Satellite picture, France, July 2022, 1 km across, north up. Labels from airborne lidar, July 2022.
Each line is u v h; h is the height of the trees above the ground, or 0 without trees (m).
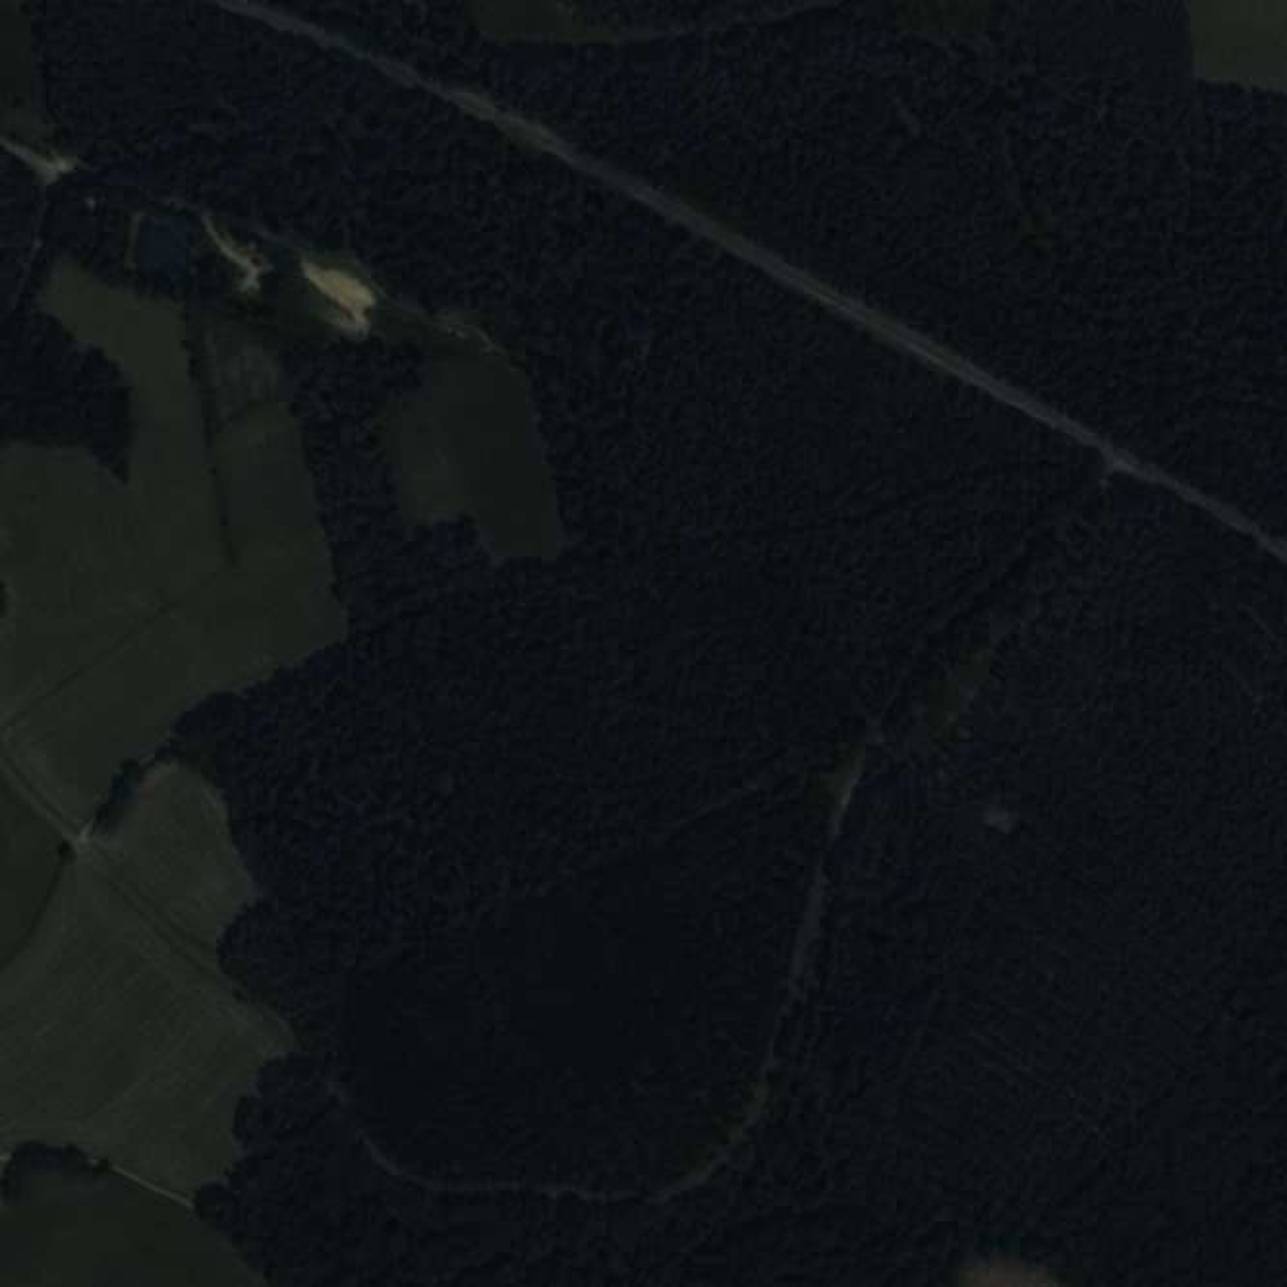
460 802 25
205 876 0
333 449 22
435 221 10
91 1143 0
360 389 14
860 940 25
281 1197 24
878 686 24
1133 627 10
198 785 0
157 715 0
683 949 10
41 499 0
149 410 0
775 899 10
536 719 26
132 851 0
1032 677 31
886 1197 17
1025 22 25
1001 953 16
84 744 0
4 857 0
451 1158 9
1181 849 24
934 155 19
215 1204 22
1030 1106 14
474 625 25
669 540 22
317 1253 19
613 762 23
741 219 17
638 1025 8
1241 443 27
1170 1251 19
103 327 0
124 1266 0
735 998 10
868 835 30
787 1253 25
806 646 24
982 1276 0
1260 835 23
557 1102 7
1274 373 24
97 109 18
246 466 0
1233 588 16
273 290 20
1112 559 39
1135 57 26
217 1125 0
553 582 24
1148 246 19
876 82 24
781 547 21
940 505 25
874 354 18
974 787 33
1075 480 27
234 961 23
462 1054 11
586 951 10
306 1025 23
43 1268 0
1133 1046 17
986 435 22
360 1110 10
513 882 22
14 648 0
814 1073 28
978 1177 19
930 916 27
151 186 27
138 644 0
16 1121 0
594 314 9
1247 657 14
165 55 19
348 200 24
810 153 18
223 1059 0
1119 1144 15
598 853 15
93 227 17
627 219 16
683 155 23
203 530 0
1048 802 22
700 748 28
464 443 0
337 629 0
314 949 27
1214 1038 21
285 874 27
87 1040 0
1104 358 26
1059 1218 26
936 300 19
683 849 10
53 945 0
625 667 19
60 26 25
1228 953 20
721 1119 8
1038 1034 11
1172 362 16
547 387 19
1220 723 25
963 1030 20
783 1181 23
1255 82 0
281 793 8
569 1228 15
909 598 24
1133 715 26
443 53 9
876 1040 26
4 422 24
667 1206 9
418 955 14
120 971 0
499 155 16
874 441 22
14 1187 16
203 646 0
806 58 27
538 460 0
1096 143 27
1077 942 18
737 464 21
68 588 0
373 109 13
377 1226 20
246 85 21
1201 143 22
